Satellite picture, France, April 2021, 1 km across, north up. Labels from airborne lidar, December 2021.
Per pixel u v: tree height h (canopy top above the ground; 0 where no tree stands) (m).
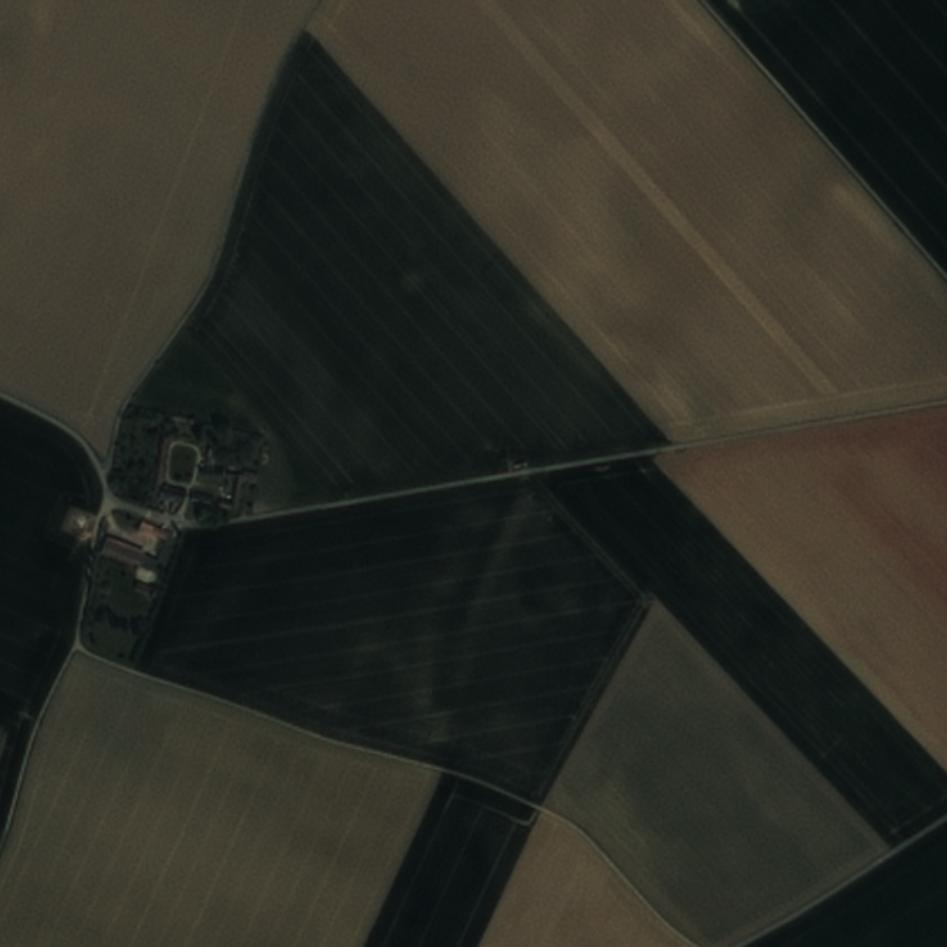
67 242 0
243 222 0
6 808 0
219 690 0
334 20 0
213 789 0
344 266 0
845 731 0
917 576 0
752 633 0
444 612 0
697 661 0
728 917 0
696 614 0
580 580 0
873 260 0
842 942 0
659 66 0
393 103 0
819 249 0
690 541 0
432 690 0
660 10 0
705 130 0
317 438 0
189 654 0
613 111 0
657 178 0
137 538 0
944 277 0
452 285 0
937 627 0
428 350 0
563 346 0
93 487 0
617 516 0
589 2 0
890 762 0
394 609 0
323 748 0
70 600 0
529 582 0
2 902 0
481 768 0
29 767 0
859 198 0
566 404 0
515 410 0
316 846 0
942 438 0
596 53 0
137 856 0
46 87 0
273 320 0
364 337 0
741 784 0
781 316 0
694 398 0
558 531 0
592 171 0
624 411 0
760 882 0
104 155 0
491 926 0
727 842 0
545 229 0
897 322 0
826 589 0
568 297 0
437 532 0
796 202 0
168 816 0
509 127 0
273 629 0
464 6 0
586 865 0
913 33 0
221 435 19
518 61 0
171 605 0
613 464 0
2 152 0
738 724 0
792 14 0
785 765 0
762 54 0
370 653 0
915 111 0
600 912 0
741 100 0
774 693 0
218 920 0
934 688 0
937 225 0
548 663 0
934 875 0
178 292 0
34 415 0
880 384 0
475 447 0
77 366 0
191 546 0
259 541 0
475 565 0
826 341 0
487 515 0
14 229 0
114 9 0
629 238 0
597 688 0
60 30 0
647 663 0
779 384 0
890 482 0
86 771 0
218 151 0
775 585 0
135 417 9
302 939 0
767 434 0
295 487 0
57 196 0
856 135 0
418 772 0
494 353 0
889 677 0
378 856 0
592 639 0
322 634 0
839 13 0
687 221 0
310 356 0
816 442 0
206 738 0
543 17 0
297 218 0
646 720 0
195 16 0
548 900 0
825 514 0
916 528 0
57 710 0
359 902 0
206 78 0
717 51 0
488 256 0
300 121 0
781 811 0
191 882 0
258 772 0
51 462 0
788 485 0
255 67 0
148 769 0
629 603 0
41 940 0
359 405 0
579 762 0
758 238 0
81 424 0
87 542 0
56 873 0
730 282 0
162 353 0
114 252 0
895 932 0
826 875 0
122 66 0
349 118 0
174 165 0
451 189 0
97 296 0
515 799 0
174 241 0
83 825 0
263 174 0
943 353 0
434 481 0
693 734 0
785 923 0
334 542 0
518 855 0
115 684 0
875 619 0
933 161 0
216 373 0
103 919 0
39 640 0
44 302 0
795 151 0
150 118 0
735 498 0
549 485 0
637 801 0
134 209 0
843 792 0
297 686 0
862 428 0
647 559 0
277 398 0
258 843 0
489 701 0
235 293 0
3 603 0
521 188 0
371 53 0
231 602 0
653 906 0
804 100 0
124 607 0
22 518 0
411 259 0
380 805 0
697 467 0
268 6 0
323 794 0
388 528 0
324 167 0
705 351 0
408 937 0
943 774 0
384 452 0
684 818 0
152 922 0
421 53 0
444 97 0
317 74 0
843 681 0
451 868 0
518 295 0
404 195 0
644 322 0
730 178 0
